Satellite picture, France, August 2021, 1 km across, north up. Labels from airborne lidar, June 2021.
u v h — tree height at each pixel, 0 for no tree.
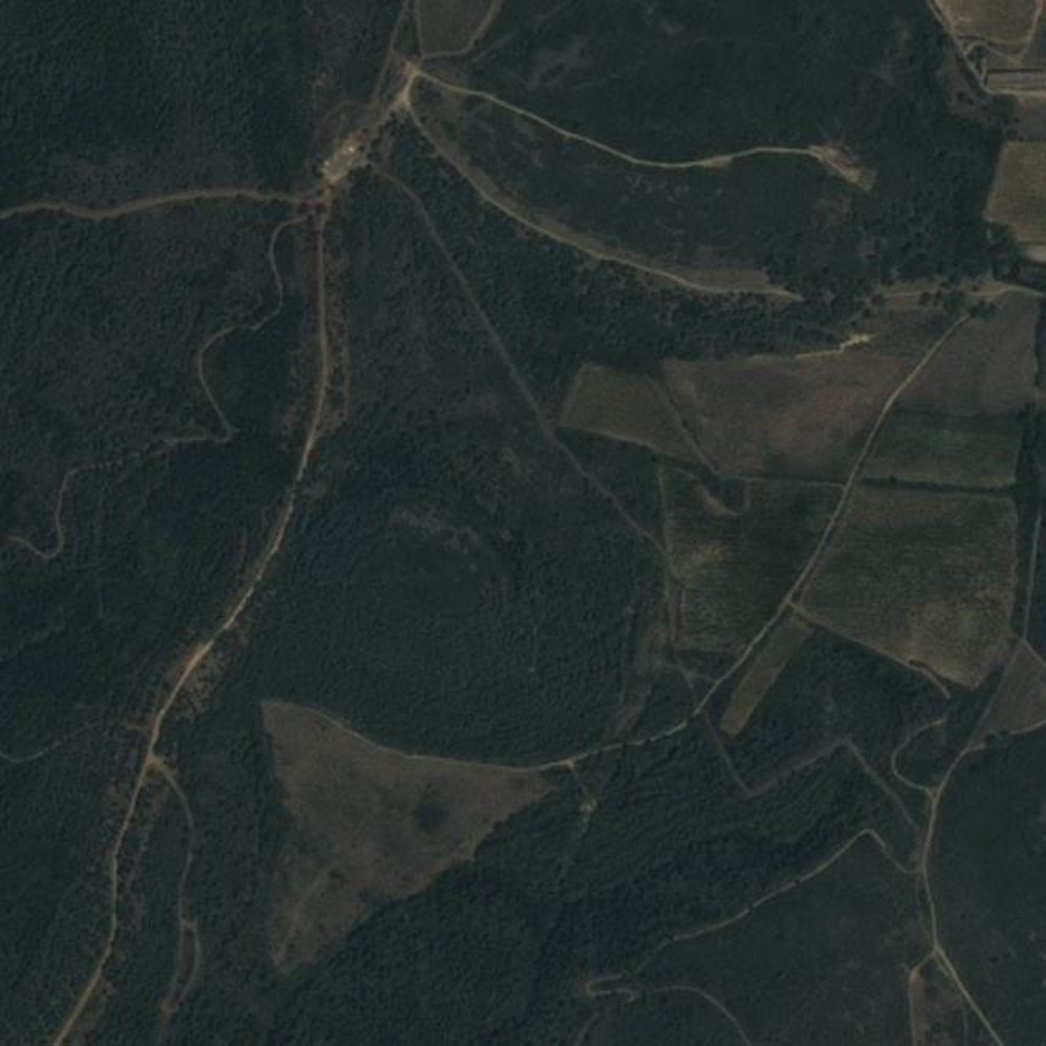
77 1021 0
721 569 0
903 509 0
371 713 9
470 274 6
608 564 8
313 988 6
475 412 0
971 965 0
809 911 0
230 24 6
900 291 0
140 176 8
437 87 0
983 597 0
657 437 0
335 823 0
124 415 7
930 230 9
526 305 9
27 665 6
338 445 6
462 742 11
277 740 0
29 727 7
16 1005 5
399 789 0
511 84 0
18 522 8
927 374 0
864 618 0
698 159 0
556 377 10
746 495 0
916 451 0
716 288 0
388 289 0
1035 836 0
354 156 0
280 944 0
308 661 8
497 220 7
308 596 10
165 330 6
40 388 7
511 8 0
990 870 0
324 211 9
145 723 9
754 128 0
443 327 6
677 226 0
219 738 7
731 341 6
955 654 0
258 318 7
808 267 0
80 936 6
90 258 9
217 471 6
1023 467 11
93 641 7
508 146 0
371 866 0
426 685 8
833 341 10
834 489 0
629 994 0
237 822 7
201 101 7
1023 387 0
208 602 9
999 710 0
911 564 0
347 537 10
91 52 12
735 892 6
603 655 11
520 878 13
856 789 7
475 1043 10
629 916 6
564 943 6
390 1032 6
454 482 9
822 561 0
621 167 0
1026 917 0
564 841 10
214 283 7
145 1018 8
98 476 7
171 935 7
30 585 8
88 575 8
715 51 0
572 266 6
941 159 8
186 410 7
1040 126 0
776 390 0
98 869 7
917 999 0
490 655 10
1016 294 0
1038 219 0
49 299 7
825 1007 0
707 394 0
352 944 8
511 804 0
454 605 0
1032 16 0
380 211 7
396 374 7
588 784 0
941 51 14
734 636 0
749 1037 0
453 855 0
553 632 6
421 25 0
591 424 0
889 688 6
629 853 10
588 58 0
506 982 10
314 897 0
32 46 10
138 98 6
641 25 0
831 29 11
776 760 8
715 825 11
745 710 0
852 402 0
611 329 7
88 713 7
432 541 0
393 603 6
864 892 0
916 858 0
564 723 11
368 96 0
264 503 7
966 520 0
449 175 6
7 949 7
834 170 0
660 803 7
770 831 8
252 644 9
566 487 0
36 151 7
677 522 0
